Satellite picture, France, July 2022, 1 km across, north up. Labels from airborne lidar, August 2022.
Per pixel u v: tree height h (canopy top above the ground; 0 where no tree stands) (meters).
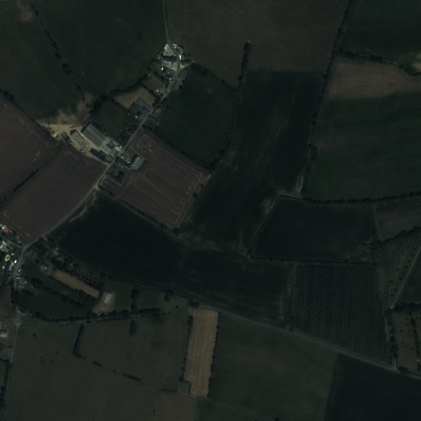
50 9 0
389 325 12
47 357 0
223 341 0
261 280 0
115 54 0
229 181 0
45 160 0
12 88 0
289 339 0
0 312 0
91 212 0
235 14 0
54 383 0
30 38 0
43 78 0
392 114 0
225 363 0
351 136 0
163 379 0
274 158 0
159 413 0
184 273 0
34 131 0
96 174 0
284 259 6
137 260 0
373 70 0
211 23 0
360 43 0
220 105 0
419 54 0
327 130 0
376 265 6
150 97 0
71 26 0
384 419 0
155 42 0
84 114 0
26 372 0
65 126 0
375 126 0
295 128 0
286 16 0
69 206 0
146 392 0
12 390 0
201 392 0
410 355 0
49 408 0
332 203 6
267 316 0
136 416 0
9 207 0
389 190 0
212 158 0
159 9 0
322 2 0
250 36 0
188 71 0
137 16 0
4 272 0
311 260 8
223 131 0
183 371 7
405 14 0
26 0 0
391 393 0
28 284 0
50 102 0
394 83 0
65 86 0
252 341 0
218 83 0
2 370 0
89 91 0
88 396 0
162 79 13
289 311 0
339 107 0
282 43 0
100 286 9
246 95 0
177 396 0
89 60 0
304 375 0
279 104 0
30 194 0
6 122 0
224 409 0
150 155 0
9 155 0
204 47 0
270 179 0
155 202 0
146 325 0
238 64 0
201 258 0
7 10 0
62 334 0
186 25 0
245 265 0
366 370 0
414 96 0
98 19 0
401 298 0
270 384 0
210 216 0
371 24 0
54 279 8
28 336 0
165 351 0
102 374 0
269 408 0
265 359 0
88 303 0
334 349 0
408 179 0
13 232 7
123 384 0
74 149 0
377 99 0
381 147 0
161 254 0
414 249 5
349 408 0
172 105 0
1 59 0
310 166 5
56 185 0
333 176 0
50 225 0
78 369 0
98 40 0
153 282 0
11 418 0
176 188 0
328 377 0
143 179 0
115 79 0
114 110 0
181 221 0
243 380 0
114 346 0
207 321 0
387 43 0
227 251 0
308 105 0
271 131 0
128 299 0
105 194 0
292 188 0
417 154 0
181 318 0
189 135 0
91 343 0
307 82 0
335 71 0
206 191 0
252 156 0
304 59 0
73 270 6
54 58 0
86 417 0
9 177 0
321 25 0
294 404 0
